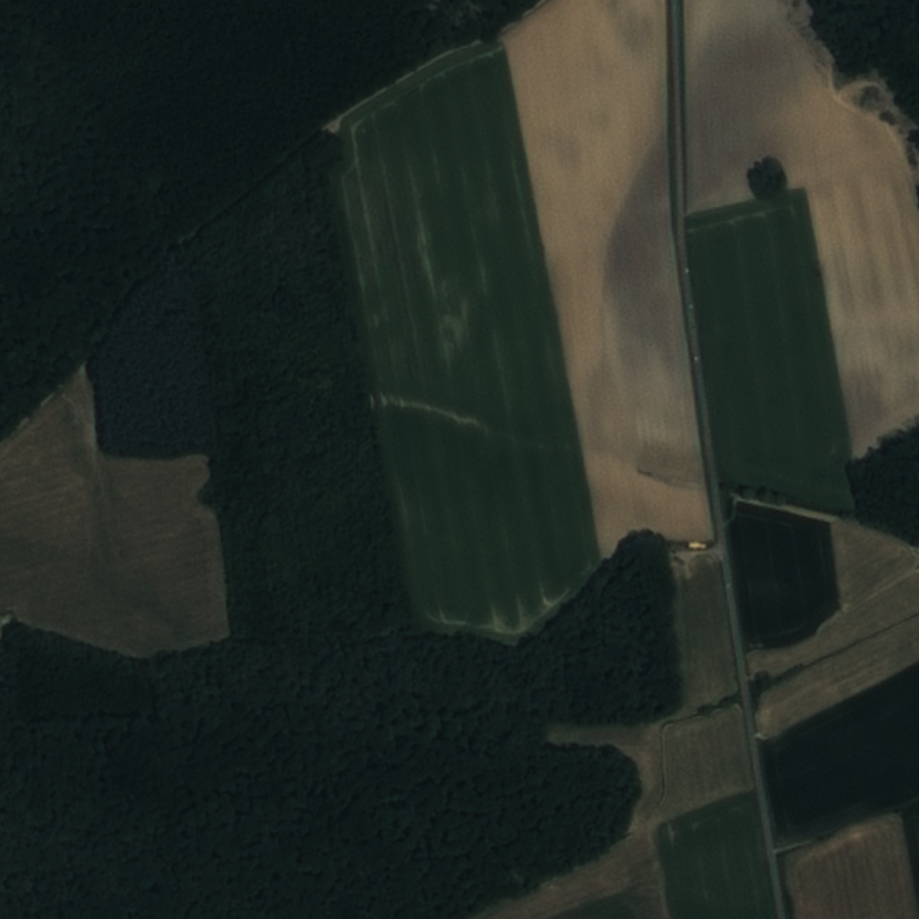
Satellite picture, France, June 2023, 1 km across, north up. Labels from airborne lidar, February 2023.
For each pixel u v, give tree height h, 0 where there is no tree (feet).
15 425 53
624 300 0
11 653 85
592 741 0
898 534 42
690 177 0
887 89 72
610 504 0
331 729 92
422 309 0
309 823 95
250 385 30
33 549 0
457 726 84
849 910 0
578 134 0
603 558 0
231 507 24
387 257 0
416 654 70
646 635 95
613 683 75
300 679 85
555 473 0
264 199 39
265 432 40
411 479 0
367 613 31
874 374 0
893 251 0
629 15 0
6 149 94
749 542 0
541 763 89
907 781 0
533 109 0
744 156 0
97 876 88
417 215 0
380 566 28
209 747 100
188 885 78
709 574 0
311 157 63
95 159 91
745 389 0
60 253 96
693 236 0
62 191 94
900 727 0
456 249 0
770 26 0
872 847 0
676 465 0
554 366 0
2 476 0
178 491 0
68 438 0
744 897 0
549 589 0
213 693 92
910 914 0
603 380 0
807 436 0
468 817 84
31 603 0
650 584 87
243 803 98
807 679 0
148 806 98
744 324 0
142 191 76
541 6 0
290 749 91
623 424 0
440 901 88
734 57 0
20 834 79
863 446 0
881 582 0
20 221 86
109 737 85
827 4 60
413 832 84
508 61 0
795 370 0
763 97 0
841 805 0
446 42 71
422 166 0
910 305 0
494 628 0
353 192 0
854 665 0
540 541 0
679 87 0
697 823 0
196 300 32
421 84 0
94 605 0
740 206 0
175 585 0
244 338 21
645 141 0
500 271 0
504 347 0
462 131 0
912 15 103
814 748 0
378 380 0
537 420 0
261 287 22
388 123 0
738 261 0
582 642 76
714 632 0
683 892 0
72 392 0
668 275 0
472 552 0
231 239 40
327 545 22
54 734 89
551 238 0
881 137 0
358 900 89
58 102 77
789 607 0
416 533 0
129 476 0
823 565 0
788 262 0
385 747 87
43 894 89
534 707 73
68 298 90
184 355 77
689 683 0
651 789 0
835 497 0
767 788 0
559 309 0
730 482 0
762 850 0
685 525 0
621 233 0
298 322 20
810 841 0
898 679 0
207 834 94
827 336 0
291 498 24
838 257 0
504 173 0
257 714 82
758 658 0
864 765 0
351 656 85
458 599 0
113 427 57
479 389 0
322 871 82
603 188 0
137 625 0
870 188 0
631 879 0
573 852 83
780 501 48
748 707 0
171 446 68
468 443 0
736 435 0
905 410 0
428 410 0
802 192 0
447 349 0
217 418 40
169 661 58
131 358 73
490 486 0
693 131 0
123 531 0
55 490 0
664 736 0
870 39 93
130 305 72
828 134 0
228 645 28
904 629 0
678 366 0
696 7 0
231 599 24
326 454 30
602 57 0
